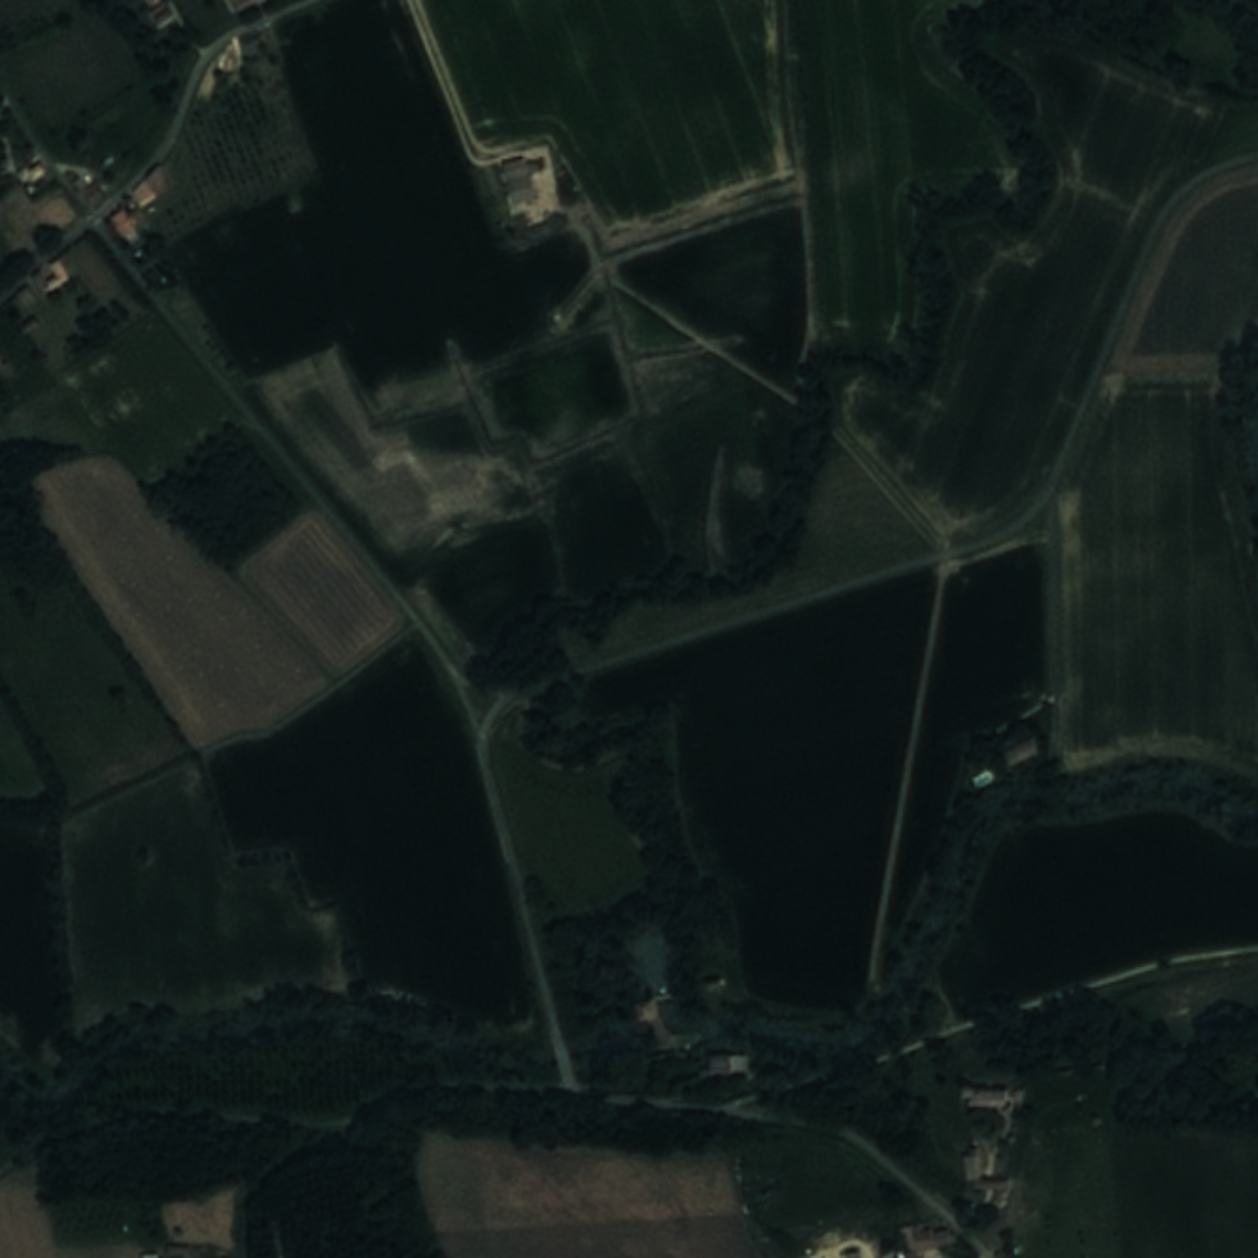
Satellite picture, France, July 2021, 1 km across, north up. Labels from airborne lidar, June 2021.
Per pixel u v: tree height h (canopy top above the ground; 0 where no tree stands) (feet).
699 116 0
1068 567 0
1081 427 0
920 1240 0
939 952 41
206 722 0
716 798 0
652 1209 0
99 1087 48
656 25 0
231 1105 35
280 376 0
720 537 0
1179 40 0
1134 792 68
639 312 0
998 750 32
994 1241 0
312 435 0
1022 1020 49
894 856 0
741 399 0
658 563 0
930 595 0
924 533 0
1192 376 0
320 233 0
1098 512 0
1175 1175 0
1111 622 0
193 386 0
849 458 0
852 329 0
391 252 0
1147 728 0
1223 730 0
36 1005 0
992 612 0
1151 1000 0
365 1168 94
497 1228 0
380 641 0
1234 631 0
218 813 42
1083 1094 0
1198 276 0
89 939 0
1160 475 0
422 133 0
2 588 0
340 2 0
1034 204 42
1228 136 0
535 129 0
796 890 0
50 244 70
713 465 0
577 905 0
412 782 0
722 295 0
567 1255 0
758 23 0
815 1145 0
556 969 39
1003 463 0
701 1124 37
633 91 0
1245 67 42
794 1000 0
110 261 23
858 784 0
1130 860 0
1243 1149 0
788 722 0
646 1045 42
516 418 0
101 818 0
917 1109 49
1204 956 0
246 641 0
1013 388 0
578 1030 48
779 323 0
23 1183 0
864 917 0
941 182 0
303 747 0
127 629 0
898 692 0
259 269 0
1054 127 0
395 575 0
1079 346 0
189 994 0
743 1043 53
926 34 0
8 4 0
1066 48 0
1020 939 0
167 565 0
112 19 60
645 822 60
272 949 0
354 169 0
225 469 41
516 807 0
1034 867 0
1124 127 0
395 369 0
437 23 0
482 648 0
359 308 0
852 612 0
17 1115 71
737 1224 0
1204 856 0
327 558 0
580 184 0
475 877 0
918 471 0
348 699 0
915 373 100
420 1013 66
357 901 0
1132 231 0
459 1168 0
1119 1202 0
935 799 0
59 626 0
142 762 0
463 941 0
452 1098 82
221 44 0
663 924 28
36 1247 0
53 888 43
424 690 0
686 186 0
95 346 34
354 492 0
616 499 0
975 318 0
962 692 0
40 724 0
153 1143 59
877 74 0
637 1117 56
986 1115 44
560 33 0
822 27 0
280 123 0
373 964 0
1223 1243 0
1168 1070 59
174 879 0
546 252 0
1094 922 0
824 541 0
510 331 0
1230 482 0
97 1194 50
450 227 0
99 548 0
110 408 0
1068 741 0
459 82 0
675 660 0
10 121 30
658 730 33
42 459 69
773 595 0
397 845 0
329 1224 76
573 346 0
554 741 70
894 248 0
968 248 0
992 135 0
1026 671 0
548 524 0
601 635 73
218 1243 0
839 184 0
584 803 0
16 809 56
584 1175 0
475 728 0
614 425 0
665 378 0
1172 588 0
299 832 0
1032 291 0
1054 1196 0
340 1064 35
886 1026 67
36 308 0
